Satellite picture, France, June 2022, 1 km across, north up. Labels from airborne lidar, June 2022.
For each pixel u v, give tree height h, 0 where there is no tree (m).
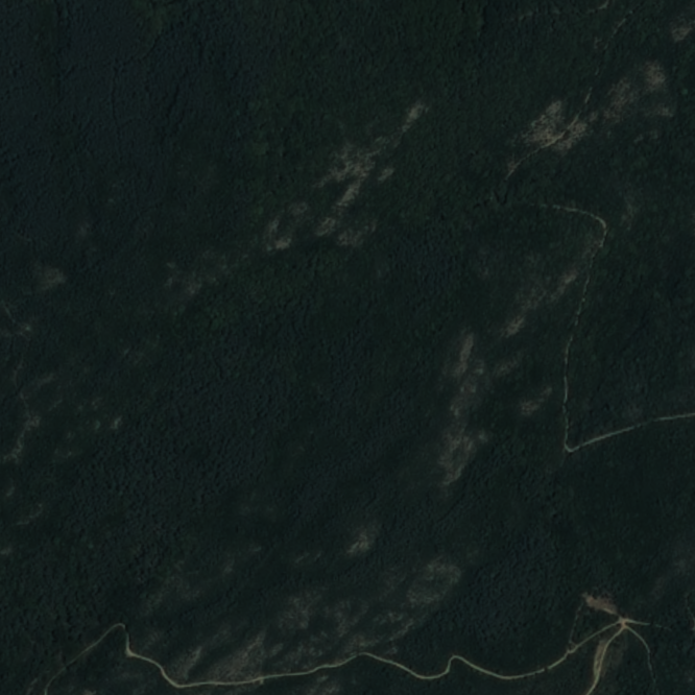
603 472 6
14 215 9
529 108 10
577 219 7
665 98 6
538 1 10
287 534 10
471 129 8
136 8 14
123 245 12
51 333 9
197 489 19
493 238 6
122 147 14
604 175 5
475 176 12
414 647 8
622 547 7
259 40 8
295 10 16
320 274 12
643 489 5
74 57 15
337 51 7
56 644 16
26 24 18
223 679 0
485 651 13
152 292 11
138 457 21
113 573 20
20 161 15
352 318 6
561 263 7
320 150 12
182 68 17
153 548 16
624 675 9
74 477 7
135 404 6
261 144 14
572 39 12
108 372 12
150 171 12
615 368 11
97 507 18
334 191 7
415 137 9
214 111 12
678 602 12
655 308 16
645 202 7
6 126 13
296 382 8
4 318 7
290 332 13
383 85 14
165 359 11
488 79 10
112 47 19
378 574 6
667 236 11
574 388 7
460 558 10
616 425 6
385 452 11
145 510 21
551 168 14
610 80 7
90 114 14
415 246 17
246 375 14
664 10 9
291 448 8
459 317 7
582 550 9
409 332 7
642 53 7
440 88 13
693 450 6
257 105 11
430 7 13
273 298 12
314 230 6
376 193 8
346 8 10
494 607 16
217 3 7
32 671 11
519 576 21
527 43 13
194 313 8
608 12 8
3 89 16
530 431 9
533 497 15
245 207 13
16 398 10
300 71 11
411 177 12
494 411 10
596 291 7
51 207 15
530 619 9
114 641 8
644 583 6
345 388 14
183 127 9
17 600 8
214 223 6
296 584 11
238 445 17
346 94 6
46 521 7
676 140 15
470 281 8
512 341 7
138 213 12
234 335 17
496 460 16
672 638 7
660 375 7
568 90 11
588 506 6
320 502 14
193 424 18
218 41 15
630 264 11
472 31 18
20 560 8
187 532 14
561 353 9
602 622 6
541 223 7
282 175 13
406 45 14
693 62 8
